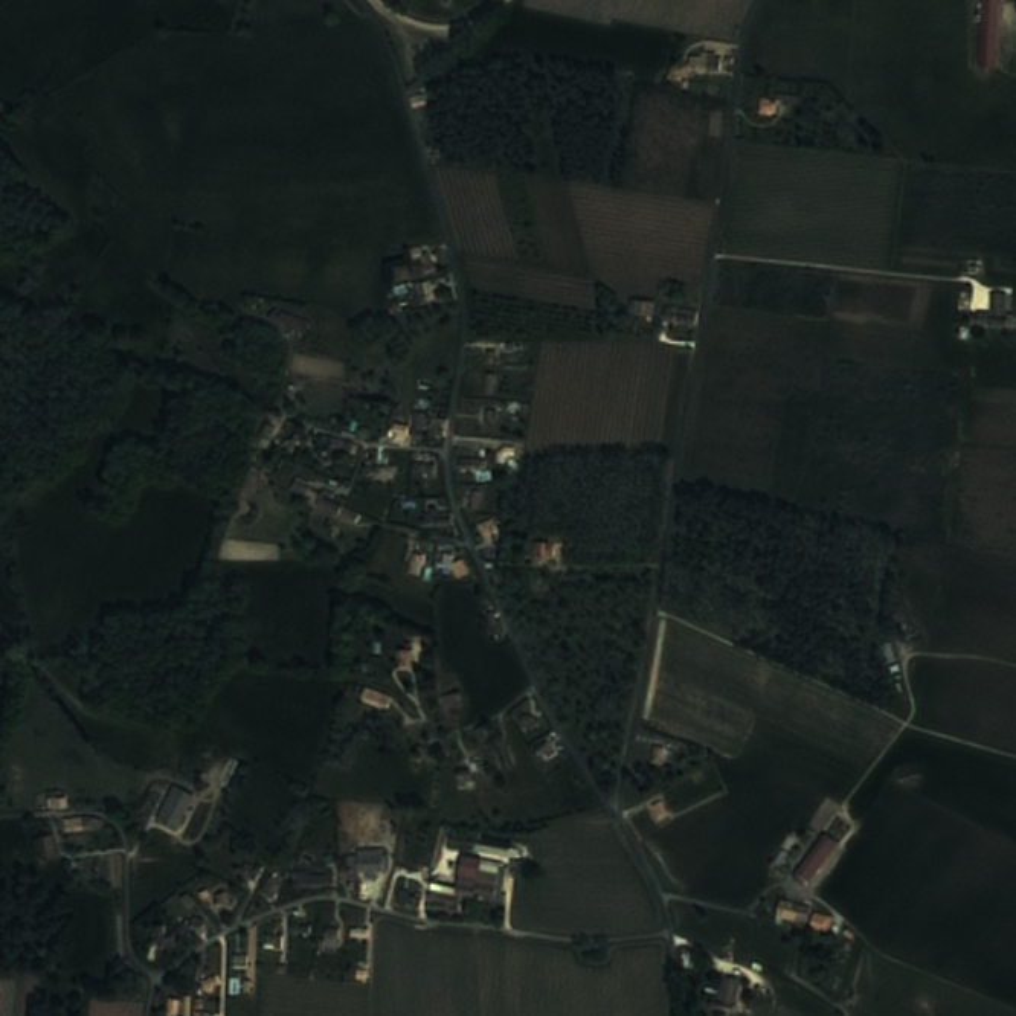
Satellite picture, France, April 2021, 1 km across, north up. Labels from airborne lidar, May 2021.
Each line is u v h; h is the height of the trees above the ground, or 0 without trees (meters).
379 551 0
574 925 0
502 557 12
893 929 0
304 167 0
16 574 11
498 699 0
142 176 0
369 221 0
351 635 17
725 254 0
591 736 10
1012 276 0
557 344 0
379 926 0
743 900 0
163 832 0
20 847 0
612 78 17
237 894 13
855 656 13
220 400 17
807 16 0
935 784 0
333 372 0
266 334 14
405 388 0
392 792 0
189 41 0
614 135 17
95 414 23
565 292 0
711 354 0
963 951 0
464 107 16
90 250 0
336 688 0
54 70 0
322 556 20
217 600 22
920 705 0
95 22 0
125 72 0
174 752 0
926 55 0
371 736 18
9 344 22
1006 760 0
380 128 0
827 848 0
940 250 0
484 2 0
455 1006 0
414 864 0
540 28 0
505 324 7
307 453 7
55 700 21
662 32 0
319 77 0
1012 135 0
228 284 0
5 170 23
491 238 0
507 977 0
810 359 0
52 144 0
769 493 0
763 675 0
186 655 20
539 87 15
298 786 12
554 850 0
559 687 11
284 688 0
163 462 18
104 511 18
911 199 0
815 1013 0
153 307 0
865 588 20
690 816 0
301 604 0
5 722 15
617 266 0
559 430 0
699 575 16
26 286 10
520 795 0
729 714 0
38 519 0
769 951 0
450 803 0
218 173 0
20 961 16
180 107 0
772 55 0
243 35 9
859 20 0
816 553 14
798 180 0
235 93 0
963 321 6
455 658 0
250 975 0
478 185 0
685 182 16
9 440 19
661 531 17
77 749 0
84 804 6
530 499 15
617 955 0
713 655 0
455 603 0
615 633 12
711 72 0
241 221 0
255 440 16
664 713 0
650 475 18
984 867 0
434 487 0
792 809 0
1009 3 0
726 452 0
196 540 0
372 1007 0
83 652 20
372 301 0
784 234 0
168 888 0
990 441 0
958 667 0
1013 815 0
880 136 9
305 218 0
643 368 0
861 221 0
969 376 0
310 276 0
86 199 0
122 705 20
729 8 0
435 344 0
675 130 23
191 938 12
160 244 0
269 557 0
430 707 14
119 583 0
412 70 0
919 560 0
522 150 17
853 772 0
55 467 20
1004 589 0
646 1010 0
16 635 8
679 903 0
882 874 0
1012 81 0
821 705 0
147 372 14
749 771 0
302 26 0
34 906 17
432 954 0
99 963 0
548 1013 0
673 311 0
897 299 0
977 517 0
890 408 0
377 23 0
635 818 0
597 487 19
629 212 0
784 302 0
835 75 0
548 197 0
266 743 0
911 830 0
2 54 0
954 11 0
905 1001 0
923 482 0
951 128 0
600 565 18
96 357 22
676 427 0
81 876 8
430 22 0
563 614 7
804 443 0
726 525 9
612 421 0
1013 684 0
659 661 0
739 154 0
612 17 0
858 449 0
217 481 17
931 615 0
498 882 0
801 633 15
